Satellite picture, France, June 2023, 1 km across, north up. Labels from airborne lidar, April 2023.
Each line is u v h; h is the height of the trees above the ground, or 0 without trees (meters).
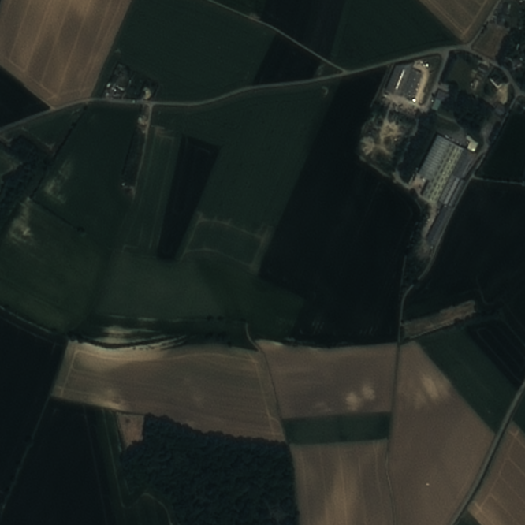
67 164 0
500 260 0
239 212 0
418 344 0
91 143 0
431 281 0
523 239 0
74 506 0
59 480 0
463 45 0
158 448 18
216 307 0
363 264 0
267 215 0
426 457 0
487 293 0
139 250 0
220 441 23
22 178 16
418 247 0
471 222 0
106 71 0
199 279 0
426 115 16
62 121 0
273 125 0
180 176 0
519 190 0
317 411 0
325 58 0
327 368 0
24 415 0
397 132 0
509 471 0
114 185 0
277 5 0
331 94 0
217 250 0
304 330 0
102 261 0
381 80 0
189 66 0
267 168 0
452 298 0
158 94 0
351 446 0
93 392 0
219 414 0
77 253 0
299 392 0
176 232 0
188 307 0
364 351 0
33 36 0
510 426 0
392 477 0
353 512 0
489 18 0
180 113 0
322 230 0
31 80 0
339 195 0
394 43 0
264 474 23
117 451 0
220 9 0
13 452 0
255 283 0
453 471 0
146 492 0
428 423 0
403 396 0
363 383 0
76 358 0
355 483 0
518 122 0
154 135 0
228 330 0
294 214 0
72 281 0
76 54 0
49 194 0
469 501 0
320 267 0
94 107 0
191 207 0
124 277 0
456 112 10
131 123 0
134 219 0
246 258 0
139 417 0
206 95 0
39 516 0
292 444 0
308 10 0
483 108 19
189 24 0
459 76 0
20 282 0
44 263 0
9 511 0
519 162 0
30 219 0
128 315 0
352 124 0
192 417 0
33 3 0
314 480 0
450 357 0
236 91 0
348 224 0
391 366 0
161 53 0
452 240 0
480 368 0
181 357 0
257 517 16
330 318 0
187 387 0
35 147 12
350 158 0
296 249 0
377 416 0
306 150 0
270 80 0
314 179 0
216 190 0
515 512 0
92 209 0
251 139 0
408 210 0
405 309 0
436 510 0
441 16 0
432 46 0
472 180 0
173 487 15
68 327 0
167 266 0
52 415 0
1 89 0
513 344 0
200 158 0
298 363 0
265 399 0
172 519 0
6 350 0
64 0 0
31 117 0
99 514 0
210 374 0
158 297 0
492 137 10
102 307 0
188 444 21
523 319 0
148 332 0
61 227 0
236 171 0
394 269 0
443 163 0
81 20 0
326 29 0
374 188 0
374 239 0
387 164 0
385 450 0
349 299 0
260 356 0
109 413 0
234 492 23
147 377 0
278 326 0
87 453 0
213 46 0
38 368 0
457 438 0
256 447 20
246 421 0
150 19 0
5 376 0
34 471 0
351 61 0
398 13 0
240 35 0
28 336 0
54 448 0
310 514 0
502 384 0
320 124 0
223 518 26
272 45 0
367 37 0
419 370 0
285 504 21
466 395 0
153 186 0
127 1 0
